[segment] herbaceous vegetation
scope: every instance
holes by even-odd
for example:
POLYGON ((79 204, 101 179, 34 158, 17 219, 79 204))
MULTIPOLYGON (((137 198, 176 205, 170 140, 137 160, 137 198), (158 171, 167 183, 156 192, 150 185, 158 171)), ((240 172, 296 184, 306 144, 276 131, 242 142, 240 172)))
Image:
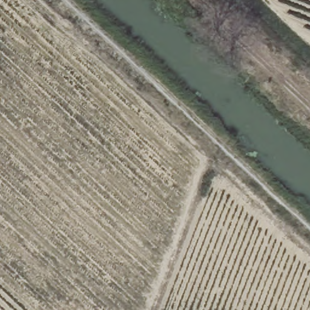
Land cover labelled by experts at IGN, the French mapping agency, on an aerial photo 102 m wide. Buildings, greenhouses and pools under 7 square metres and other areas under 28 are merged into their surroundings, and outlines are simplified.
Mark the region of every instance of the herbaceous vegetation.
POLYGON ((217 136, 213 128, 196 114, 193 108, 186 107, 182 99, 174 96, 159 79, 140 67, 124 48, 110 39, 97 23, 77 8, 71 0, 44 0, 54 12, 67 19, 94 45, 91 53, 97 54, 97 57, 128 87, 137 91, 143 101, 174 128, 174 131, 182 137, 190 134, 196 140, 196 150, 203 151, 207 156, 207 170, 213 170, 216 177, 224 177, 228 168, 242 180, 242 183, 248 185, 272 212, 285 220, 287 225, 292 226, 299 236, 310 243, 310 223, 297 208, 274 193, 265 179, 259 173, 254 173, 247 162, 231 153, 231 148, 225 145, 228 143, 229 133, 217 136))
POLYGON ((222 69, 241 87, 246 82, 256 79, 257 90, 263 92, 277 110, 310 130, 310 69, 292 71, 293 65, 289 61, 291 52, 286 50, 280 41, 266 40, 259 19, 257 22, 249 21, 246 15, 239 12, 223 15, 220 13, 219 5, 211 4, 209 0, 189 0, 191 4, 201 8, 202 17, 197 18, 199 23, 191 28, 190 33, 193 36, 188 40, 196 50, 201 51, 209 63, 222 69))

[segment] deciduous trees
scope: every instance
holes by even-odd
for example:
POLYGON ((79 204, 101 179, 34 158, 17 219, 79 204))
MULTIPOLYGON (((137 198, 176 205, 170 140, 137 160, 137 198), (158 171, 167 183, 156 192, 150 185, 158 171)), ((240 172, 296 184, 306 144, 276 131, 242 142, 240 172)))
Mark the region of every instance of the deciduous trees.
POLYGON ((225 130, 220 121, 222 115, 211 113, 206 105, 206 99, 197 101, 200 93, 186 90, 184 85, 180 85, 177 76, 168 71, 165 64, 157 61, 153 53, 142 46, 142 41, 128 35, 132 31, 131 25, 121 22, 117 25, 113 18, 99 10, 93 0, 71 0, 77 8, 97 23, 110 39, 124 48, 140 67, 159 79, 174 96, 182 99, 186 107, 193 108, 196 114, 213 128, 217 136, 229 133, 228 143, 225 145, 231 148, 231 153, 247 162, 254 173, 259 173, 265 179, 274 193, 297 208, 310 223, 310 203, 302 196, 289 193, 285 185, 277 182, 270 172, 265 171, 262 163, 258 161, 257 153, 247 151, 237 143, 236 127, 229 126, 225 130))
POLYGON ((193 36, 190 33, 191 28, 199 23, 197 18, 202 17, 201 8, 191 4, 189 0, 151 0, 159 15, 170 18, 188 40, 193 36))
POLYGON ((277 110, 263 92, 257 90, 256 79, 246 82, 241 87, 252 102, 262 108, 277 126, 310 154, 310 130, 277 110))
POLYGON ((310 69, 310 45, 282 22, 263 0, 209 0, 211 4, 219 5, 220 13, 223 15, 239 12, 246 15, 249 21, 257 22, 259 19, 266 40, 280 41, 286 50, 291 52, 289 61, 293 65, 292 71, 310 69))

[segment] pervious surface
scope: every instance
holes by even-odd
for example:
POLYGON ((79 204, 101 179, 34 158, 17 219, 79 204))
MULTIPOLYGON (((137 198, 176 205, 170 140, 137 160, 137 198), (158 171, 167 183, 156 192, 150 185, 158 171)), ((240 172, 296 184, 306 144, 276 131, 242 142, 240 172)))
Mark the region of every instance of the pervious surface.
POLYGON ((305 28, 304 19, 288 15, 288 5, 281 4, 279 0, 263 0, 282 22, 310 45, 310 30, 305 28))

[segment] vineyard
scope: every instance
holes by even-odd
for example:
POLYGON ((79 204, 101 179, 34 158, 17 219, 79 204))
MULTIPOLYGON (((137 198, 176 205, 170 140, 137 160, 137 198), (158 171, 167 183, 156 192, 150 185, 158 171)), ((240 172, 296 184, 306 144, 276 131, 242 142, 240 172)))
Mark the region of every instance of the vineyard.
POLYGON ((310 30, 310 0, 279 0, 281 4, 288 5, 288 15, 304 19, 305 28, 310 30))
POLYGON ((310 310, 310 243, 299 236, 292 226, 287 225, 285 220, 272 212, 248 185, 242 183, 242 180, 228 168, 224 177, 216 177, 213 170, 207 170, 207 156, 203 151, 196 150, 196 140, 190 134, 182 137, 174 131, 174 128, 143 101, 137 91, 128 87, 97 57, 97 54, 91 53, 94 45, 67 19, 54 12, 44 0, 0 0, 0 310, 310 310))

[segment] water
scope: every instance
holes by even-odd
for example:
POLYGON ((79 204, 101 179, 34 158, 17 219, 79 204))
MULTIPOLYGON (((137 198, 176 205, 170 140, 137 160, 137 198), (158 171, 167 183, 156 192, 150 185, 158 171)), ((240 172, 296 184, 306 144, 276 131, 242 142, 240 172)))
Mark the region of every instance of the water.
POLYGON ((209 63, 201 51, 196 50, 188 40, 170 18, 159 15, 151 0, 93 0, 99 10, 113 18, 117 25, 121 22, 131 25, 132 31, 128 35, 142 41, 142 46, 153 53, 157 61, 165 64, 168 71, 177 76, 180 85, 184 85, 186 90, 200 93, 197 101, 206 99, 206 105, 211 113, 222 115, 220 121, 225 130, 229 126, 236 127, 237 143, 247 151, 257 153, 258 161, 262 163, 265 171, 270 172, 277 182, 285 185, 289 193, 302 196, 310 203, 310 154, 277 126, 262 108, 252 102, 241 87, 222 69, 209 63))

